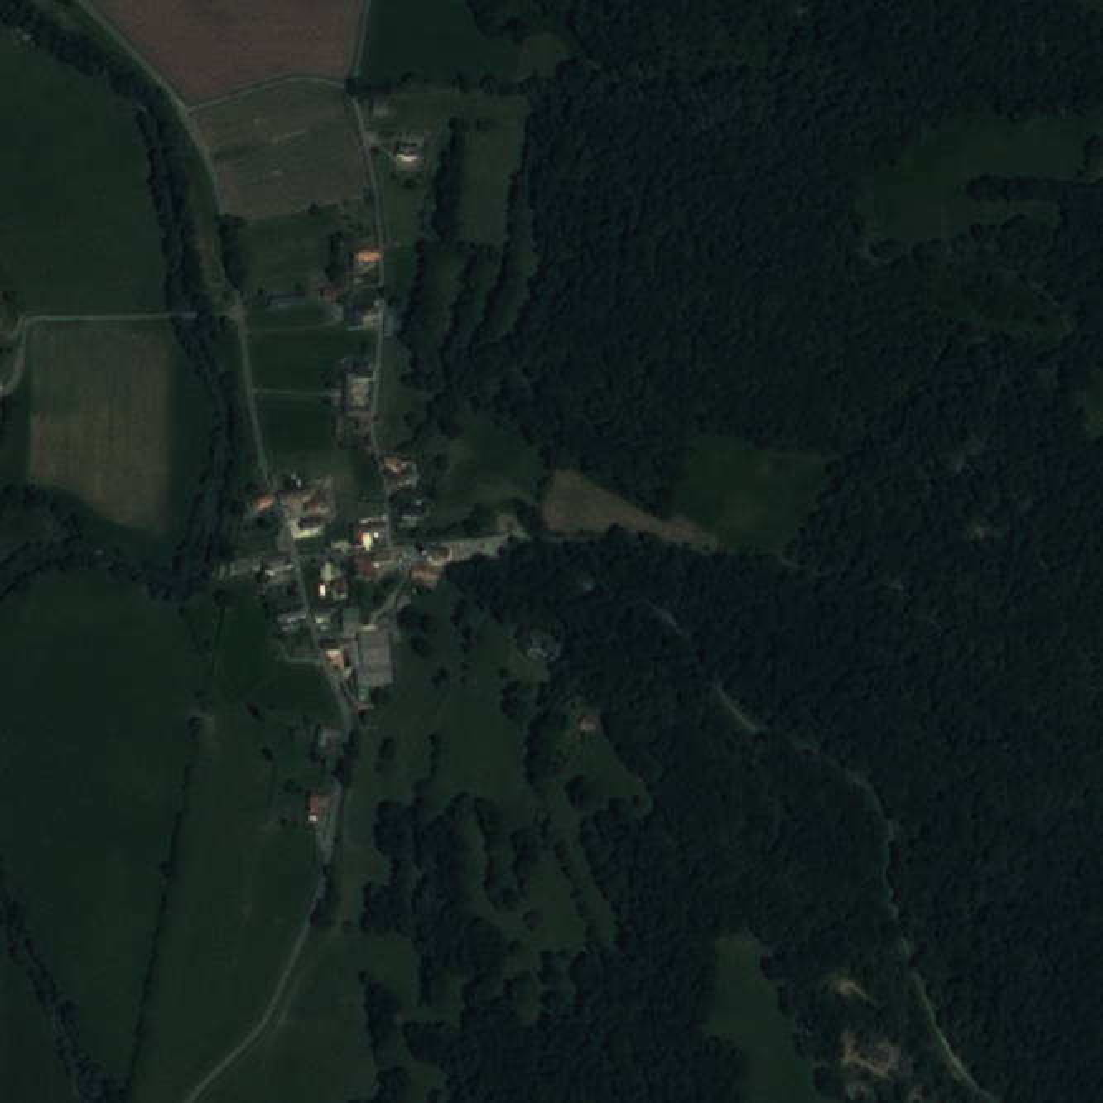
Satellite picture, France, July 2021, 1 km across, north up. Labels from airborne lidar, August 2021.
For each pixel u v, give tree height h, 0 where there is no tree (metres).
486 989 26
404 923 25
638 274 22
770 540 0
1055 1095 29
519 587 30
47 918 0
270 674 0
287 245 0
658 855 23
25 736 0
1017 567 21
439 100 0
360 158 0
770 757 27
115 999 0
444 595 0
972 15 24
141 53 0
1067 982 21
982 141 0
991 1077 26
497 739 0
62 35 16
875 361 24
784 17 33
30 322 0
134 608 0
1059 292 30
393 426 0
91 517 0
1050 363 26
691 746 23
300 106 0
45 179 0
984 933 26
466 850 22
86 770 0
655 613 27
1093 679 23
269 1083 0
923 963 25
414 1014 0
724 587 30
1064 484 23
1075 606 23
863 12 26
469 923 20
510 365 22
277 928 0
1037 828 20
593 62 15
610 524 0
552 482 14
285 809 0
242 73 0
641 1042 24
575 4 15
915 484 26
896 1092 12
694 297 22
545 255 9
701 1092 23
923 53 31
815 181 26
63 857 0
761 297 22
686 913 26
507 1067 24
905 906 22
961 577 21
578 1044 31
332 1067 0
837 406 28
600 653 29
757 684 28
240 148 0
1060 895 20
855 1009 24
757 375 23
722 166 26
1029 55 14
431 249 19
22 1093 0
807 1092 0
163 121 12
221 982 0
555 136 23
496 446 0
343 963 0
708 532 0
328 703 0
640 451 27
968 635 23
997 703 23
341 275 13
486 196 0
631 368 28
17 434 0
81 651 0
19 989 0
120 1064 0
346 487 0
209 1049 0
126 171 0
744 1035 0
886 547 26
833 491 9
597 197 22
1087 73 23
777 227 23
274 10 0
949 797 27
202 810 0
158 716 0
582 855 0
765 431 21
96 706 0
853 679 28
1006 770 23
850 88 23
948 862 26
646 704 24
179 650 0
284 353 0
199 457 0
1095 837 15
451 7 0
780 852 20
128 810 0
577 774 0
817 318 14
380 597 7
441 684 16
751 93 28
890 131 28
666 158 22
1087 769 21
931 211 0
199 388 0
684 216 21
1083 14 14
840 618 37
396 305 14
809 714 8
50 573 15
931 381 30
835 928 17
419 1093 0
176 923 0
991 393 23
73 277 0
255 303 0
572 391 28
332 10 0
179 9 0
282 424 0
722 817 22
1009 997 28
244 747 0
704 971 26
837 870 19
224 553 15
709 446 0
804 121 21
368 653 0
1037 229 18
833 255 16
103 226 0
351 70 0
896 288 26
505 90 12
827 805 21
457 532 11
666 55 30
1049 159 0
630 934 18
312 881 0
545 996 0
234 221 18
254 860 0
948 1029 17
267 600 9
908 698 28
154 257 0
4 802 0
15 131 0
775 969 26
